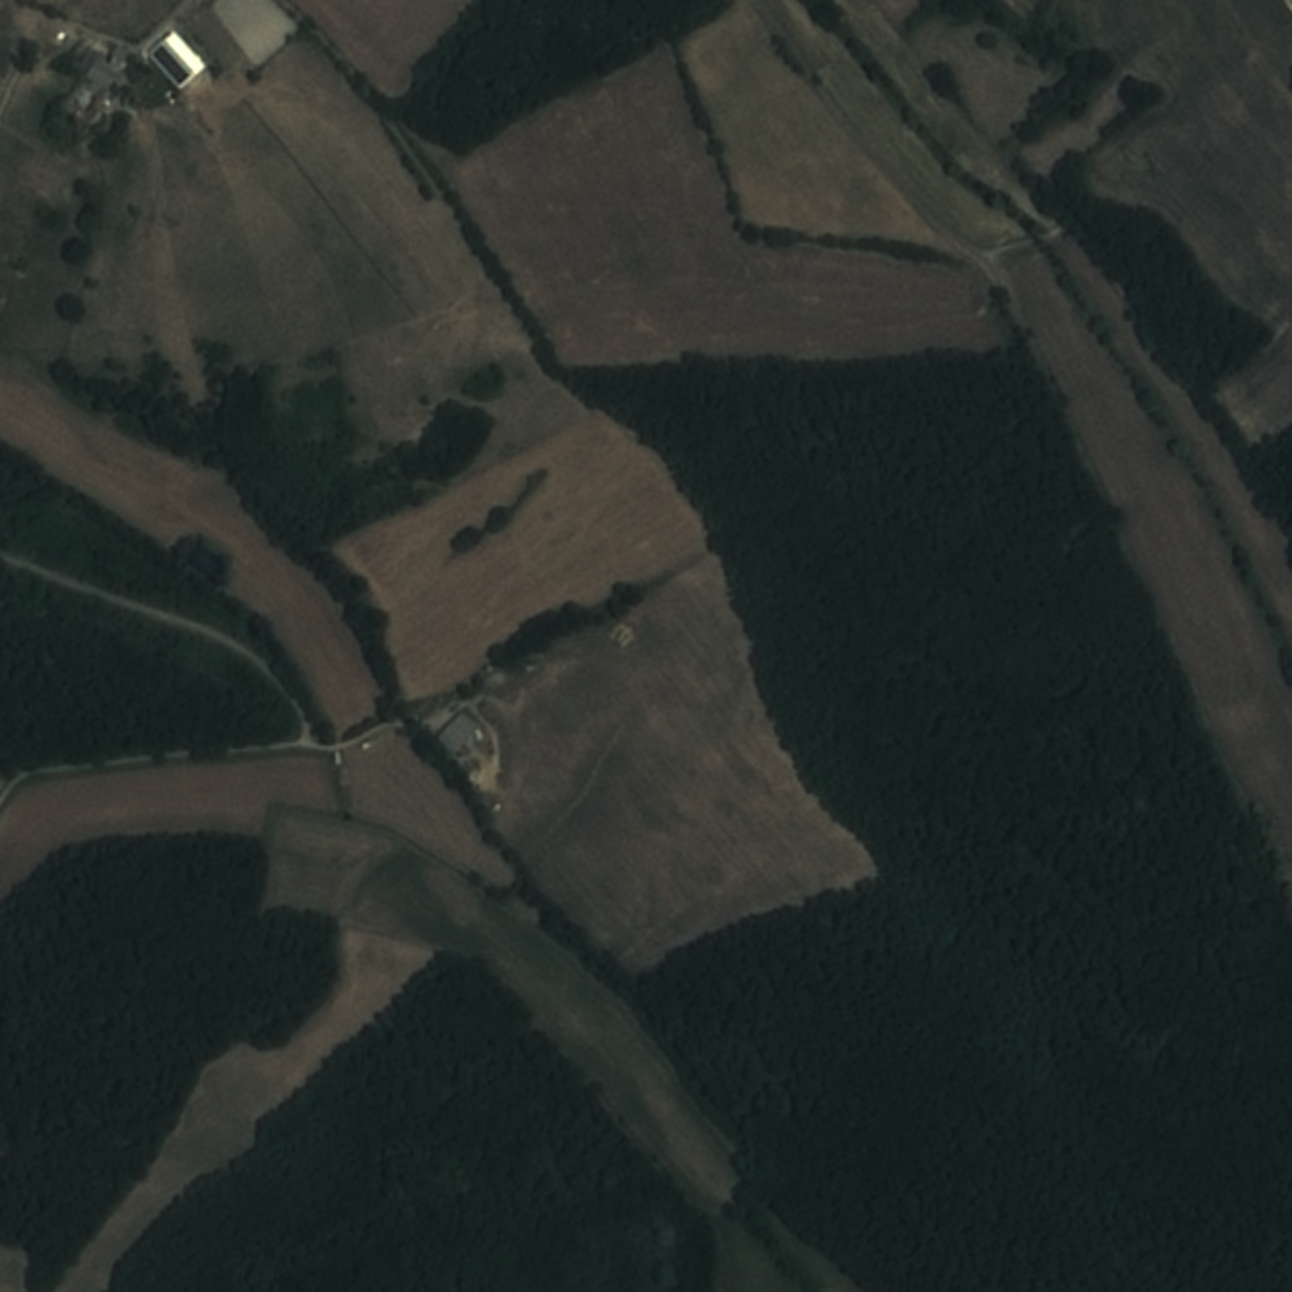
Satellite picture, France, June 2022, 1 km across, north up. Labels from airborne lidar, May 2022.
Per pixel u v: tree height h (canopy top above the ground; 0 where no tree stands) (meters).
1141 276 12
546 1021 0
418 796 0
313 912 11
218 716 12
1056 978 18
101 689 14
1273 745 0
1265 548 0
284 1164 14
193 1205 15
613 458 0
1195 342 7
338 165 0
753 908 0
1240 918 17
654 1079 0
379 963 0
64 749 16
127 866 15
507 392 0
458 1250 15
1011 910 23
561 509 0
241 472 13
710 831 0
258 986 20
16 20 0
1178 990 15
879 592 20
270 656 8
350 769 0
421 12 0
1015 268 0
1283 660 10
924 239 0
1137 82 14
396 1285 20
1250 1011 20
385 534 0
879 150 0
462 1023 19
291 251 0
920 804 23
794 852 0
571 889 0
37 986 20
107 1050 23
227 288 0
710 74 0
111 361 10
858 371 15
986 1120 18
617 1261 6
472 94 22
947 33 0
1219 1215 16
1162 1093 26
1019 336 8
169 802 0
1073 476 15
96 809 0
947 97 14
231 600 11
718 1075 15
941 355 14
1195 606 0
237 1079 0
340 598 15
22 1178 26
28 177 0
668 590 0
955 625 24
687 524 0
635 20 20
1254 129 0
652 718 0
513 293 12
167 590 7
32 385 0
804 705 15
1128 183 0
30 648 15
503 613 0
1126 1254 17
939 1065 25
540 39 10
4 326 0
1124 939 16
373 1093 14
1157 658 15
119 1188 16
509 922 0
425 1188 28
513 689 0
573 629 13
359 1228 25
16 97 0
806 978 19
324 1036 0
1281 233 0
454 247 0
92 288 10
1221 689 0
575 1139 10
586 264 0
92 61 0
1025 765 26
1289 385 0
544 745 0
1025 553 23
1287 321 0
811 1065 18
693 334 0
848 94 0
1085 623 20
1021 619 16
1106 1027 19
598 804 0
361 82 11
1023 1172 13
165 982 23
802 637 15
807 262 0
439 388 0
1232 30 0
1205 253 0
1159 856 23
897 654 24
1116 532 13
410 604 0
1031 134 13
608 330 0
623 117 0
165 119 0
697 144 0
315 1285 25
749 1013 15
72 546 6
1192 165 0
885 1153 21
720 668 0
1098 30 0
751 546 15
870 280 0
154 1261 14
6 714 19
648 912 0
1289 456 16
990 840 23
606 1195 13
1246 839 10
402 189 0
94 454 0
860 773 18
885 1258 18
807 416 16
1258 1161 19
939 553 16
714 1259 16
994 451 17
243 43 0
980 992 19
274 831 0
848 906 10
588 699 0
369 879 0
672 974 20
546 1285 8
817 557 19
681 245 0
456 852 0
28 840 0
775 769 0
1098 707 20
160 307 0
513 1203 11
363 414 0
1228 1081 23
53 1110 11
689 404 18
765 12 0
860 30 0
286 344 0
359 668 0
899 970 20
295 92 0
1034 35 6
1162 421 11
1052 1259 18
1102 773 19
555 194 0
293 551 16
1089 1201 13
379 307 0
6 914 14
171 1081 20
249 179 0
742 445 16
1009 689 20
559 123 0
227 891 18
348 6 0
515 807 0
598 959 18
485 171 0
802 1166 21
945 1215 19
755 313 0
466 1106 21
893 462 23
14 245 0
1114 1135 17
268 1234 21
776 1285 0
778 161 0
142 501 0
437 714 0
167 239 0
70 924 21
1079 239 28
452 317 0
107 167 0
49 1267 19
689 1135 0
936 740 22
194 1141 0
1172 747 21
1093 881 22
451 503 0
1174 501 0
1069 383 0
